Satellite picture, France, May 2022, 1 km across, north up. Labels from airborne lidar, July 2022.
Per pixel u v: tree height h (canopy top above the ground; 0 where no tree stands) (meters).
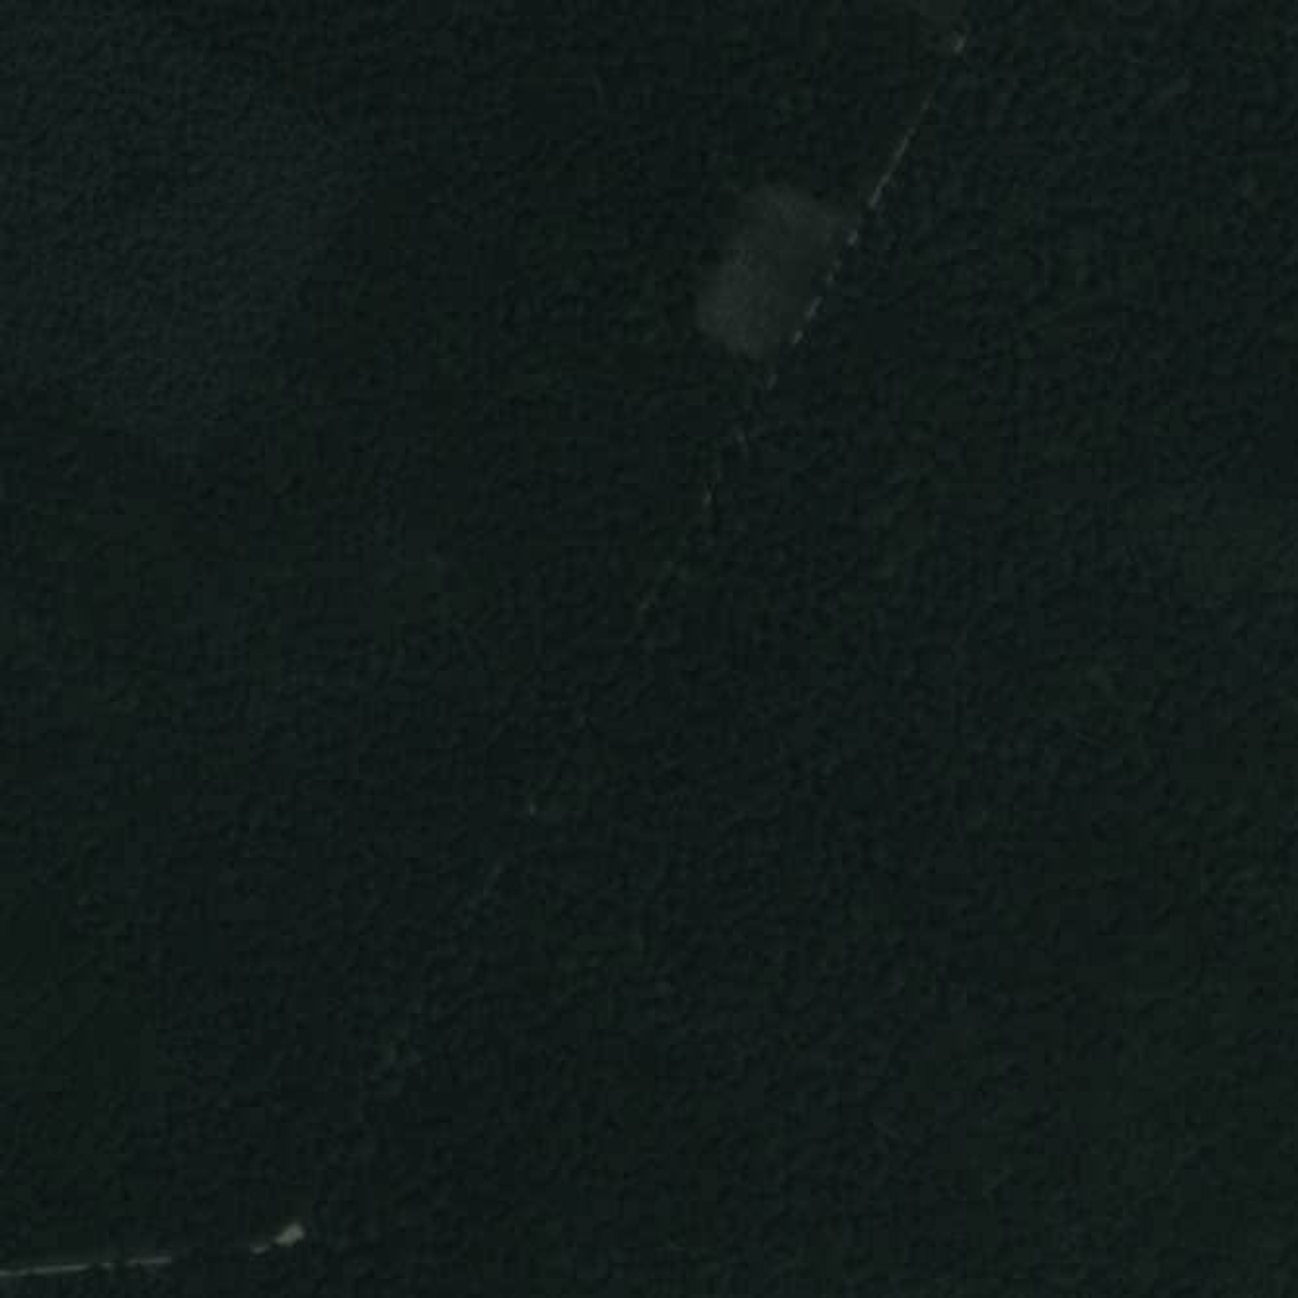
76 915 25
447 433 29
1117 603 21
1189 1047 23
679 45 26
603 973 30
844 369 25
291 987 27
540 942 26
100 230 26
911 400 27
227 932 29
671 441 24
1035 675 30
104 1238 12
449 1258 28
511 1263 27
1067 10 13
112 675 16
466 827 26
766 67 30
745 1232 30
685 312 25
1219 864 32
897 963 29
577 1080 30
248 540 24
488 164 25
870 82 27
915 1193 25
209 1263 28
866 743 26
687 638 28
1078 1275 26
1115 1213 28
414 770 26
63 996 7
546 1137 27
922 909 28
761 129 30
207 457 23
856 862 22
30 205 32
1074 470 25
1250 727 30
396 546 27
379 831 27
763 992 26
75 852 24
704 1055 30
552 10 27
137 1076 10
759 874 31
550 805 25
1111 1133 25
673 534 26
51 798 25
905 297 25
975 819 29
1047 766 27
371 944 28
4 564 20
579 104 31
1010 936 30
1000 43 21
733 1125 30
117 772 25
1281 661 6
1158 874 27
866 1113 29
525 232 26
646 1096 25
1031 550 24
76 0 30
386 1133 27
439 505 28
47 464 29
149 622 19
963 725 32
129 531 28
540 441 22
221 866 27
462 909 25
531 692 19
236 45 23
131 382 24
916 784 29
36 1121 13
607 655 25
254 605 23
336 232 25
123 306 31
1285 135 20
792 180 27
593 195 22
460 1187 28
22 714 23
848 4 28
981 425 28
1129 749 31
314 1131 29
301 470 27
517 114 25
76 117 30
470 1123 23
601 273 29
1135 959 28
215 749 17
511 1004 18
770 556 27
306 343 23
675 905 28
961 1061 27
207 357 29
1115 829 30
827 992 15
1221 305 23
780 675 20
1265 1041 21
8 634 21
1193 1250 26
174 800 26
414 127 24
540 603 23
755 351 0
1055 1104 31
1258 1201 24
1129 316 7
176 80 29
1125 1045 27
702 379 21
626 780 18
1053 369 30
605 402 24
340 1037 23
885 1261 27
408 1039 22
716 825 24
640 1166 20
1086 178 23
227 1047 23
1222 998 28
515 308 22
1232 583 21
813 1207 27
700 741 23
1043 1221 22
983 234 32
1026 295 29
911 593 21
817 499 27
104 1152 9
